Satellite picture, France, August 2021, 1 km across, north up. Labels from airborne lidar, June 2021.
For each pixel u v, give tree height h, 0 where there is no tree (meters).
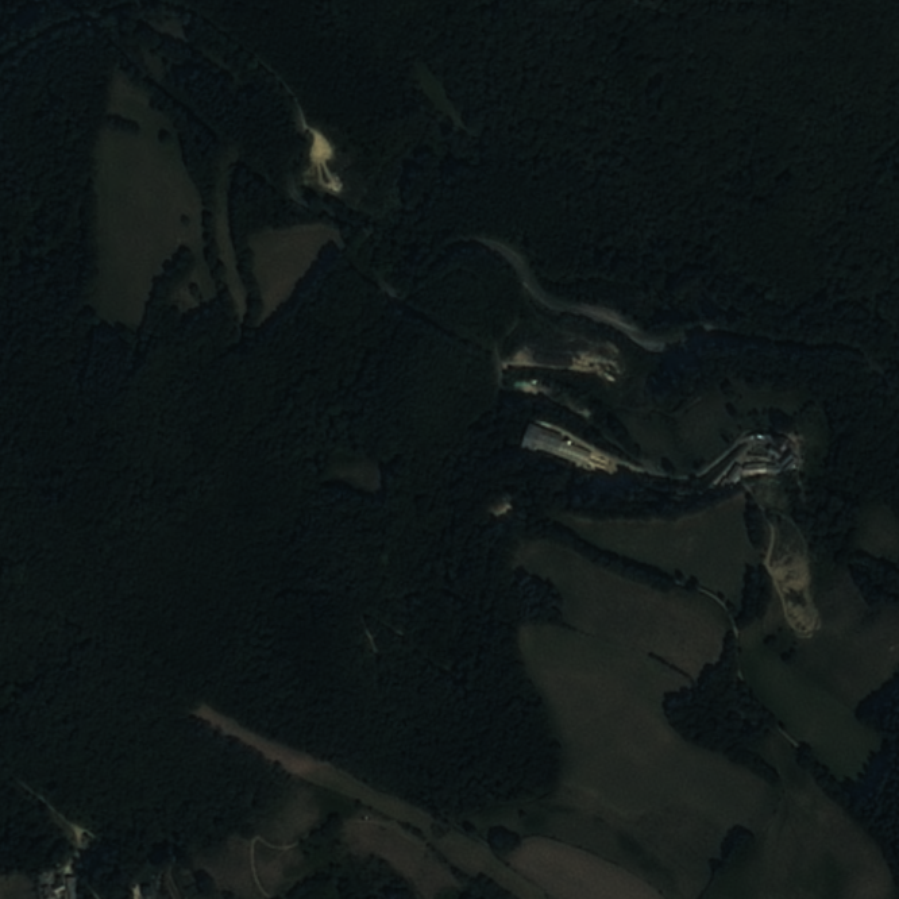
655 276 29
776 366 24
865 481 24
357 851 0
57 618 22
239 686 21
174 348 24
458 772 25
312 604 21
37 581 19
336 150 0
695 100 20
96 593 19
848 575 0
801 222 20
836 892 0
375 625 13
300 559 18
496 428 22
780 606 0
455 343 10
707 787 0
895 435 31
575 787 0
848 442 28
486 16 19
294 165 18
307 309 17
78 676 20
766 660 0
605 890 0
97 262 12
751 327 22
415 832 9
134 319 0
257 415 26
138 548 16
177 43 16
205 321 20
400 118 28
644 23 17
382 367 24
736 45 16
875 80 16
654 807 0
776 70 19
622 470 0
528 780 23
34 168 24
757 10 17
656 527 0
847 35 24
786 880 0
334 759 13
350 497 21
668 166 9
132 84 12
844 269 32
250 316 12
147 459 24
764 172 23
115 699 21
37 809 18
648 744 0
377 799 0
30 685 19
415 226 27
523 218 20
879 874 0
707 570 0
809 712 0
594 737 0
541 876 0
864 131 19
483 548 21
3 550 16
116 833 25
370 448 23
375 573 21
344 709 20
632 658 0
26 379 22
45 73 24
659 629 0
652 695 0
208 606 18
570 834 0
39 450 22
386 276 22
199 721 13
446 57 22
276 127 24
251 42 23
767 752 0
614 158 21
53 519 21
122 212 0
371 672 14
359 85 12
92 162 13
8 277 19
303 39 12
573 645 0
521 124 11
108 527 27
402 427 21
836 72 16
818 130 17
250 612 22
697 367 25
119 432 20
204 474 24
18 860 11
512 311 19
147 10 16
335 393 25
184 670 20
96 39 19
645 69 26
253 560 17
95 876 21
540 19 16
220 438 26
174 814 25
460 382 11
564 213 21
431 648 20
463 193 25
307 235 0
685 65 18
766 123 25
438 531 25
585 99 18
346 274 19
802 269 17
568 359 0
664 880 0
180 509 20
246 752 14
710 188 26
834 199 14
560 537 19
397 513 17
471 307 14
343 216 17
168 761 23
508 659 23
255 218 19
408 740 21
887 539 0
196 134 24
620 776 0
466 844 0
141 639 19
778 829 0
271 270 0
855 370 24
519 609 15
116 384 27
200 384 26
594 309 0
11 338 32
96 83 18
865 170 20
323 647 17
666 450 0
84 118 13
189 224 7
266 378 26
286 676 20
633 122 21
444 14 32
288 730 20
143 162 0
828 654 0
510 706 29
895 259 21
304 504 16
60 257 15
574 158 14
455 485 24
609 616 0
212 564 19
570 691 0
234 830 18
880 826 28
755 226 22
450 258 16
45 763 19
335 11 24
